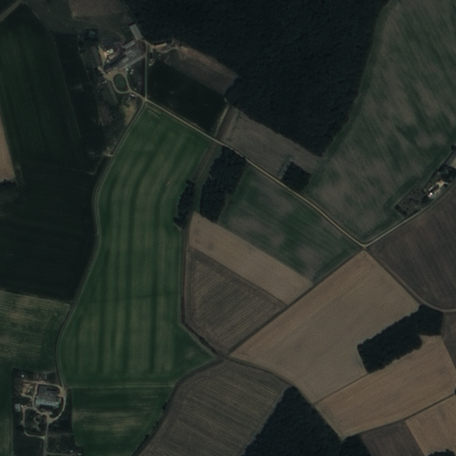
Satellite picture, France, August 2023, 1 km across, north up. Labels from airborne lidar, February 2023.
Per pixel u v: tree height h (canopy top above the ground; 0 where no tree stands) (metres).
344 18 21
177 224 17
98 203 0
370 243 0
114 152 0
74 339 0
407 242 0
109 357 0
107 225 0
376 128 0
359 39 19
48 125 0
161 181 0
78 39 0
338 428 0
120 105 0
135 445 0
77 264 0
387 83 0
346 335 0
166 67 0
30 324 0
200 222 0
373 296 0
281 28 19
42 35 0
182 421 0
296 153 0
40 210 0
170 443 0
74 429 0
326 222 0
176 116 0
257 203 0
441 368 0
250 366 0
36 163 0
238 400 0
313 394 0
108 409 0
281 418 20
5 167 0
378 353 12
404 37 0
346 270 0
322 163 0
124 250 0
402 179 0
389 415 0
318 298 0
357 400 0
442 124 0
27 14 0
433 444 0
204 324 0
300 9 26
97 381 0
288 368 0
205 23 23
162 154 0
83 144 0
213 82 0
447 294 0
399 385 0
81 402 0
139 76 0
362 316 0
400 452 0
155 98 0
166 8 17
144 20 14
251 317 0
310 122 22
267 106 20
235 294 0
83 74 0
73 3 0
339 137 0
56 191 0
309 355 0
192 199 15
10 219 0
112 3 0
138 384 0
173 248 0
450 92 0
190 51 0
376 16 14
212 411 0
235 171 18
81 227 0
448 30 0
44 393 0
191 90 0
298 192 7
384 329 0
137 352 0
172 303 0
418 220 0
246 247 0
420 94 0
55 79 0
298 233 0
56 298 0
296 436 21
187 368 0
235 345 0
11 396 0
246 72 22
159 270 0
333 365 0
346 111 21
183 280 0
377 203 0
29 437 0
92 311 0
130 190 0
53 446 0
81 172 0
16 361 0
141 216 0
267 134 0
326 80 25
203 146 0
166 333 0
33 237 0
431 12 0
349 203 0
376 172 0
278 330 0
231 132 0
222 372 0
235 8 16
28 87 0
